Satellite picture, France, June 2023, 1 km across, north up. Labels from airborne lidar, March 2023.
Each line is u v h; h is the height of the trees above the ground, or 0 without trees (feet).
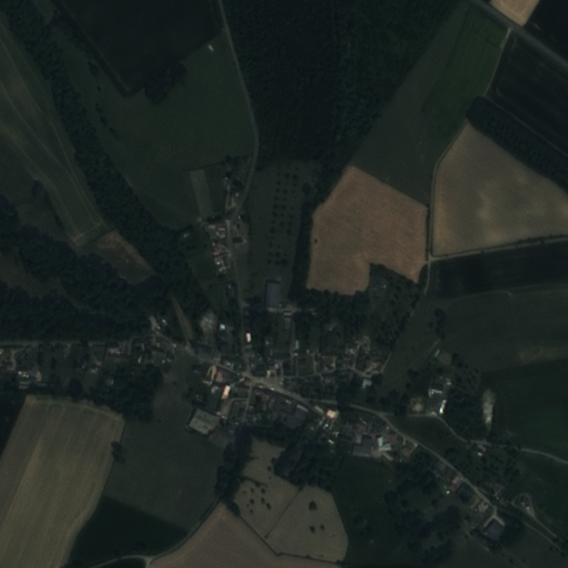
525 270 0
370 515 0
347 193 0
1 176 0
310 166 0
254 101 38
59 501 0
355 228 0
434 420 0
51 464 0
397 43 0
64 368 0
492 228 0
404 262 0
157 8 0
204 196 0
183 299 72
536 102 0
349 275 0
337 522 0
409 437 0
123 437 0
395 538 0
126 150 0
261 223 0
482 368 0
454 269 0
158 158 0
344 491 0
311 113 56
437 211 0
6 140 0
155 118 0
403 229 0
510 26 0
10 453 0
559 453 0
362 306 45
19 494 0
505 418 0
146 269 0
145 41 0
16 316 85
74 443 0
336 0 60
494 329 0
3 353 0
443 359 0
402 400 19
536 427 0
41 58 71
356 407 0
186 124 0
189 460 0
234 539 0
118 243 0
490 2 0
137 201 48
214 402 0
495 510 0
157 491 0
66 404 0
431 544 0
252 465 0
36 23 76
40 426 0
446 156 0
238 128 0
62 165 0
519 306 0
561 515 0
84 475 0
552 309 0
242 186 40
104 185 78
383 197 0
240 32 46
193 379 0
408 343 0
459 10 0
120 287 84
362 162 0
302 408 0
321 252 0
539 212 0
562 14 0
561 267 0
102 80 0
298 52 59
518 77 0
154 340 0
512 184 0
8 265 0
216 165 0
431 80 0
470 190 0
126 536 0
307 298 52
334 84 48
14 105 0
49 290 0
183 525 0
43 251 99
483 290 0
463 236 0
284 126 66
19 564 0
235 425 0
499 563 0
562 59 0
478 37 0
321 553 0
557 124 0
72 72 0
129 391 37
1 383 0
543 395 0
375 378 48
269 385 0
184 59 0
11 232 98
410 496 0
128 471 0
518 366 0
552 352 0
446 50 0
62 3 0
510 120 79
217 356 0
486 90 0
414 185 0
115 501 0
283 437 38
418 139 0
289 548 0
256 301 51
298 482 21
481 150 0
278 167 0
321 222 0
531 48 0
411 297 25
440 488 0
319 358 0
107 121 40
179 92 0
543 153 47
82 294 92
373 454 0
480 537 28
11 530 0
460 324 0
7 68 0
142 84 0
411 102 0
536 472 0
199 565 0
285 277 0
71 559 0
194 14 0
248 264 0
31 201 0
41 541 0
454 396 19
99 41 0
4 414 0
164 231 62
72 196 0
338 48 42
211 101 0
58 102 59
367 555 0
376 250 0
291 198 0
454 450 29
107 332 78
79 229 0
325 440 20
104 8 0
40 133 0
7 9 72
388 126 0
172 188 0
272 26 44
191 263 0
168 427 0
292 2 63
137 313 106
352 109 51
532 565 0
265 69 43
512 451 34
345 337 36
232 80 0
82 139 78
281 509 0
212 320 0
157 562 0
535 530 0
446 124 0
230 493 79
